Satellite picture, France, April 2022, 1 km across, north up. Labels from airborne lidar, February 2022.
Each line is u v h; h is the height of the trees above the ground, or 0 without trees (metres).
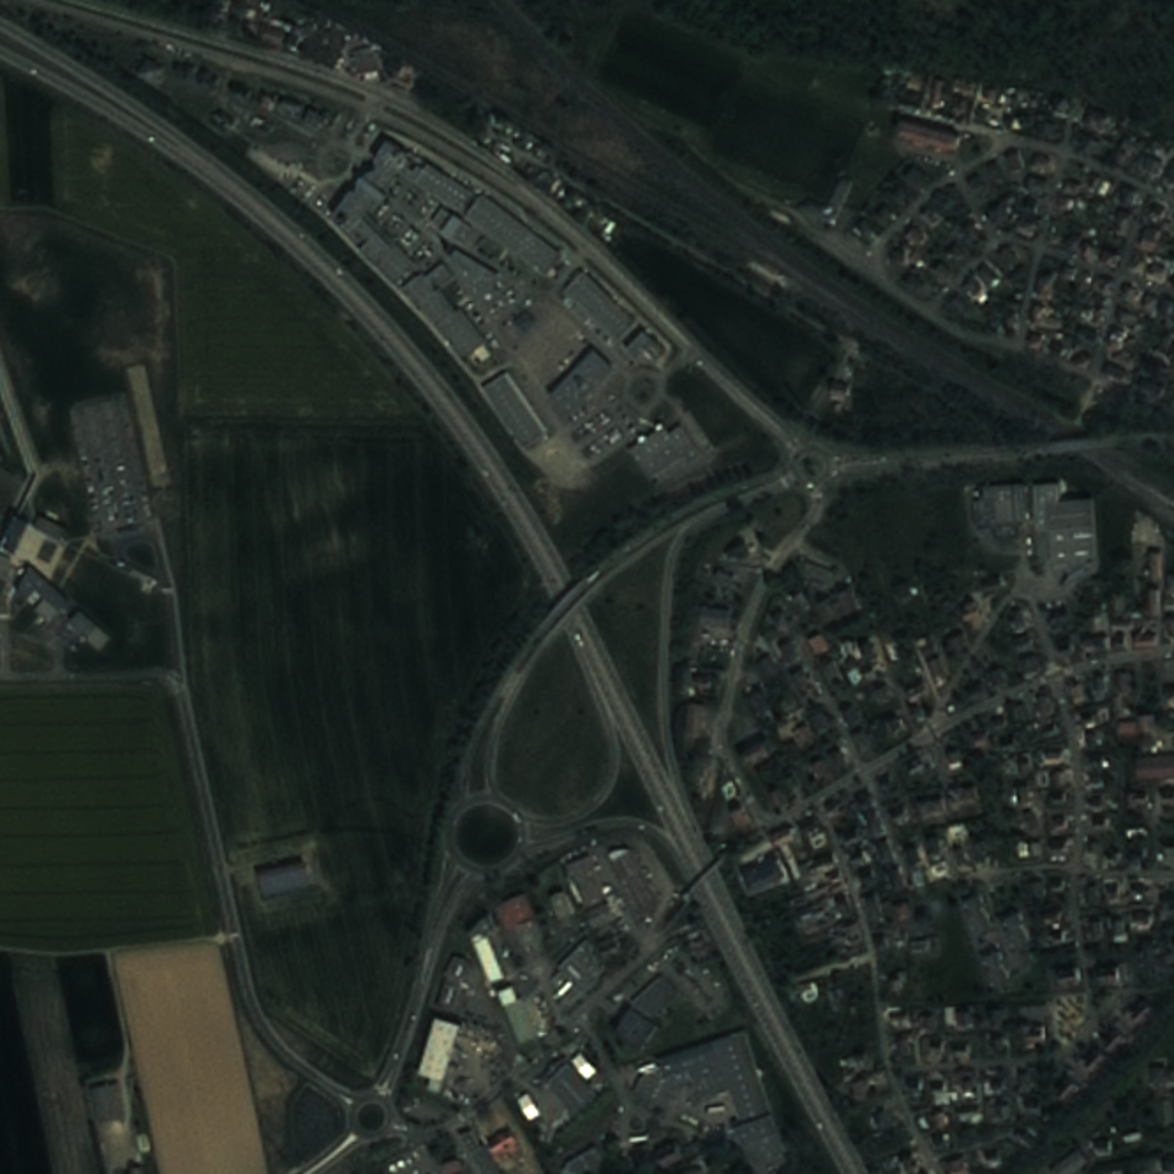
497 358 0
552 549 0
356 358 0
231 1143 0
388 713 0
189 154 0
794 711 0
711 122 0
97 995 0
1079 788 0
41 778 0
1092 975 9
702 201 0
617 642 0
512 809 0
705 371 0
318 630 0
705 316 0
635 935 0
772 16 17
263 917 0
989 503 0
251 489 0
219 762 0
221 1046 0
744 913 11
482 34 0
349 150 0
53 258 0
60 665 0
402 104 0
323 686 0
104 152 0
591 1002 0
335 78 0
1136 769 0
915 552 0
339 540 0
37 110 0
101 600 0
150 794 0
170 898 0
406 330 0
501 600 0
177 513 0
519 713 0
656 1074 0
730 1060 0
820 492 0
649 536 0
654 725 0
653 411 0
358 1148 0
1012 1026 7
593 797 0
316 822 0
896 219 0
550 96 0
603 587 0
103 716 0
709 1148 9
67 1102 0
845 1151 0
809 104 0
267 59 0
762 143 0
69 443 0
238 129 0
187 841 0
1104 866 0
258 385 0
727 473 0
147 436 0
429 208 0
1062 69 17
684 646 10
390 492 0
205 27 12
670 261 0
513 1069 0
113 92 0
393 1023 0
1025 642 0
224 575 0
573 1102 0
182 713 0
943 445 16
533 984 0
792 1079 0
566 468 0
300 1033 0
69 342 0
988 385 0
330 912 0
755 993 0
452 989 0
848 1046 0
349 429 0
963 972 0
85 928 0
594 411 0
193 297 0
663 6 14
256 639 0
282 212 0
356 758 0
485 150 7
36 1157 0
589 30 0
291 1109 0
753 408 0
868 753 0
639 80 0
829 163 0
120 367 0
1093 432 8
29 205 0
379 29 0
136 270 0
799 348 0
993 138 0
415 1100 0
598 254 0
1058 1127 22
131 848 0
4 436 0
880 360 10
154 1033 0
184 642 0
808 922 0
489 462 0
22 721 0
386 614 0
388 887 0
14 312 0
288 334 0
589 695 0
